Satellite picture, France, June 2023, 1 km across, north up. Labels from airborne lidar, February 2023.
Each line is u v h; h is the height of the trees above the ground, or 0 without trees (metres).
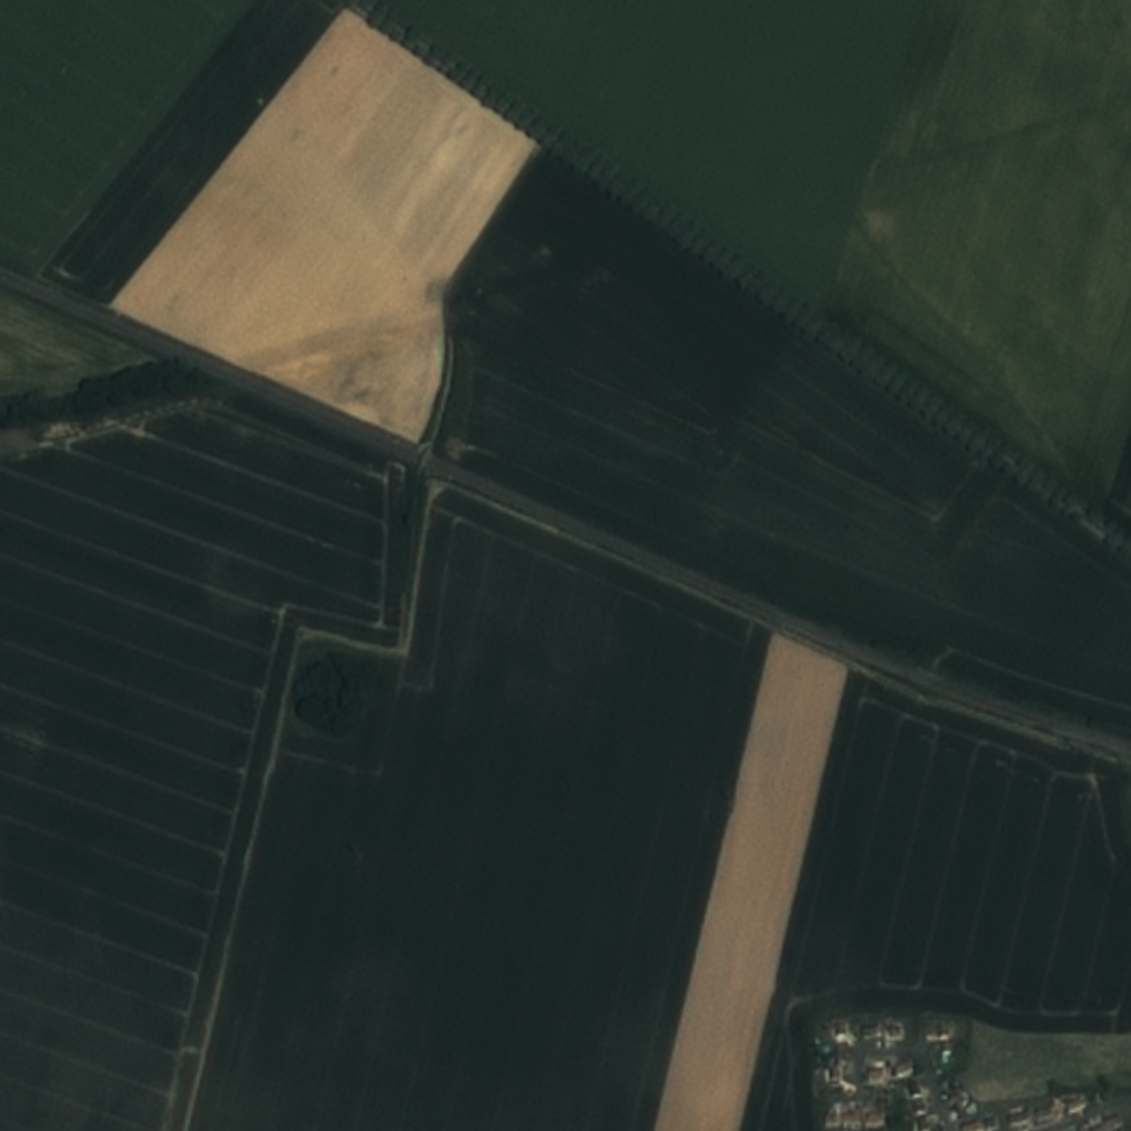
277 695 0
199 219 0
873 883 0
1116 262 0
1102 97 0
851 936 0
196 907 0
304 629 0
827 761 0
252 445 0
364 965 0
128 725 0
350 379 0
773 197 0
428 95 0
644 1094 0
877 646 9
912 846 0
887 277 0
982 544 0
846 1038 0
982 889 0
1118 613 0
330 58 0
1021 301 0
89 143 0
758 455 0
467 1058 0
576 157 18
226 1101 0
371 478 0
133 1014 0
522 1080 0
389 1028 0
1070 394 0
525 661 0
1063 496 15
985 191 0
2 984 0
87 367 0
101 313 0
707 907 0
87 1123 0
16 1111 0
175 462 0
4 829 0
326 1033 0
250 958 0
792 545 0
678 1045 0
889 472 0
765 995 0
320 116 0
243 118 0
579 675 0
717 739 0
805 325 18
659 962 0
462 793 0
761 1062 0
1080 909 0
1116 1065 0
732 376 0
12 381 0
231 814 0
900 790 0
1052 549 0
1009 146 0
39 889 0
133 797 0
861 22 0
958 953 0
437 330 0
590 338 0
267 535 0
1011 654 0
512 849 0
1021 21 0
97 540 0
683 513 0
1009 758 0
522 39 0
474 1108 0
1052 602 0
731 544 0
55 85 0
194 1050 0
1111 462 0
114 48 0
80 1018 0
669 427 0
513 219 0
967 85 0
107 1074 0
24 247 0
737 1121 0
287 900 0
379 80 0
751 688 0
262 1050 0
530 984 0
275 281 0
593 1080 0
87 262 0
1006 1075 0
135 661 0
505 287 0
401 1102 0
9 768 0
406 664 0
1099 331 0
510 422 0
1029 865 0
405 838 0
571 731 0
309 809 0
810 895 0
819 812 0
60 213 0
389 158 0
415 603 0
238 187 0
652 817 0
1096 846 0
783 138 0
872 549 0
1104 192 0
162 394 13
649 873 0
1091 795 0
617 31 0
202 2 0
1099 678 0
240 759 0
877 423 0
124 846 0
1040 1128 0
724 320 0
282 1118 0
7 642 0
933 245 0
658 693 0
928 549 0
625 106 0
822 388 0
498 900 0
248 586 0
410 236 0
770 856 0
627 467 0
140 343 0
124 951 0
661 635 0
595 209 0
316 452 0
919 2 0
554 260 0
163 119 0
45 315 0
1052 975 0
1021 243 0
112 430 0
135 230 0
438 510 0
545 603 0
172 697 0
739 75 0
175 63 0
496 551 0
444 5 0
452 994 0
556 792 0
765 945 0
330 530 0
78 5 0
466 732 0
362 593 0
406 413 0
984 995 0
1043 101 0
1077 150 0
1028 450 0
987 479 0
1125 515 0
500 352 0
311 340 0
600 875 0
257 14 0
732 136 0
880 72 0
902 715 0
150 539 0
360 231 0
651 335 0
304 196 0
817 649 0
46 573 0
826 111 0
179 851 0
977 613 0
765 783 0
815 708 0
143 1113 0
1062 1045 0
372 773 0
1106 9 0
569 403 0
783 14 0
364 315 0
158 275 0
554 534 0
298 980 0
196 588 0
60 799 0
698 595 0
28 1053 0
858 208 0
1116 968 0
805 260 0
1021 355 0
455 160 0
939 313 0
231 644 0
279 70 0
